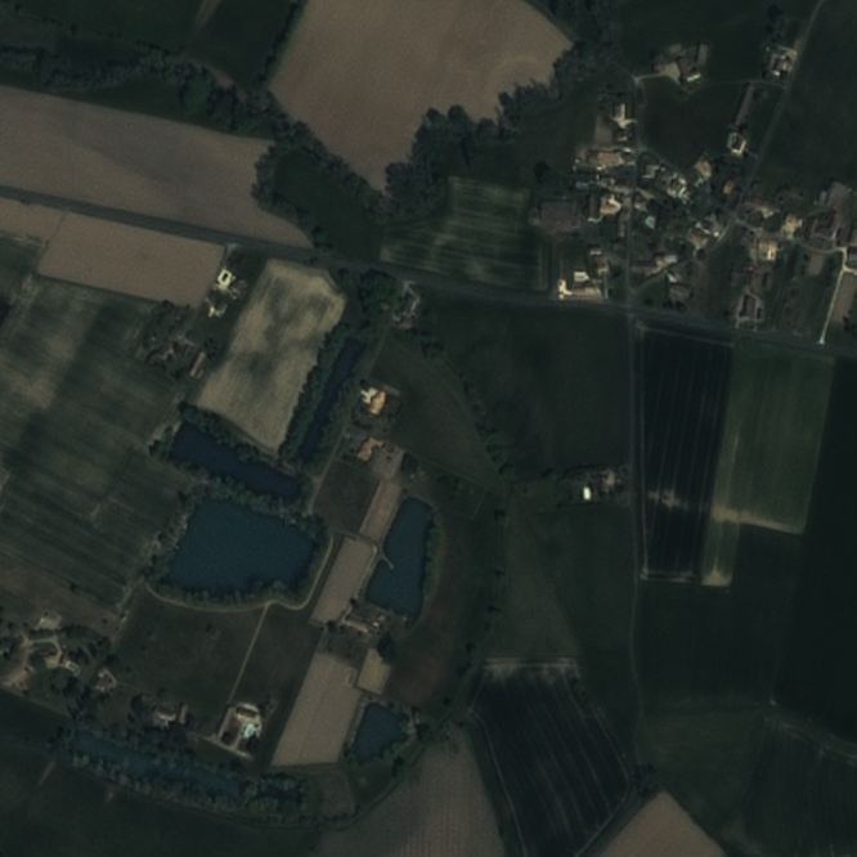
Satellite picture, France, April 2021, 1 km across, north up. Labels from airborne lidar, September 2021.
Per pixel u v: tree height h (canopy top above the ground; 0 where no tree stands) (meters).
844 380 0
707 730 0
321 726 0
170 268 0
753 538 0
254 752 10
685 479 0
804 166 0
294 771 0
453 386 0
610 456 0
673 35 0
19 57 15
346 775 0
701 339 0
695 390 0
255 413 0
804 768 0
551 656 0
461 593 0
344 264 0
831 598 0
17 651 16
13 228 0
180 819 0
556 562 0
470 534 0
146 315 0
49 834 0
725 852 0
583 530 0
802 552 0
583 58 19
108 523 0
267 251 0
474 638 0
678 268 0
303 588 23
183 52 10
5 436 0
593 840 0
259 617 0
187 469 7
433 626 0
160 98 0
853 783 0
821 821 0
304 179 0
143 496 0
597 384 0
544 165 0
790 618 0
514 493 0
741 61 0
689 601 0
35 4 0
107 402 0
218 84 18
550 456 0
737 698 0
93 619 0
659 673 0
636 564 0
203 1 0
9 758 0
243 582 0
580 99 0
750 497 0
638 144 0
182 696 0
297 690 0
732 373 0
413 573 0
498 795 0
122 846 0
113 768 10
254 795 17
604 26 17
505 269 0
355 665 0
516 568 0
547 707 0
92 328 0
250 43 0
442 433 0
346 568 0
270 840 0
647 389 0
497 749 0
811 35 0
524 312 0
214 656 0
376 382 0
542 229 0
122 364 0
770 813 0
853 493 0
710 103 0
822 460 0
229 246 0
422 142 14
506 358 0
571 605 0
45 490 0
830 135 0
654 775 16
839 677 0
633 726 0
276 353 0
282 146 19
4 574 0
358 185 18
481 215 0
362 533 0
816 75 0
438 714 0
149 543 0
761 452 0
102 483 0
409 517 0
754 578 0
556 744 0
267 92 19
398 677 0
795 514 0
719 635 0
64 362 0
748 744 0
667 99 0
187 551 0
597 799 0
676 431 0
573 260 0
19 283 0
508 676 0
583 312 0
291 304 0
